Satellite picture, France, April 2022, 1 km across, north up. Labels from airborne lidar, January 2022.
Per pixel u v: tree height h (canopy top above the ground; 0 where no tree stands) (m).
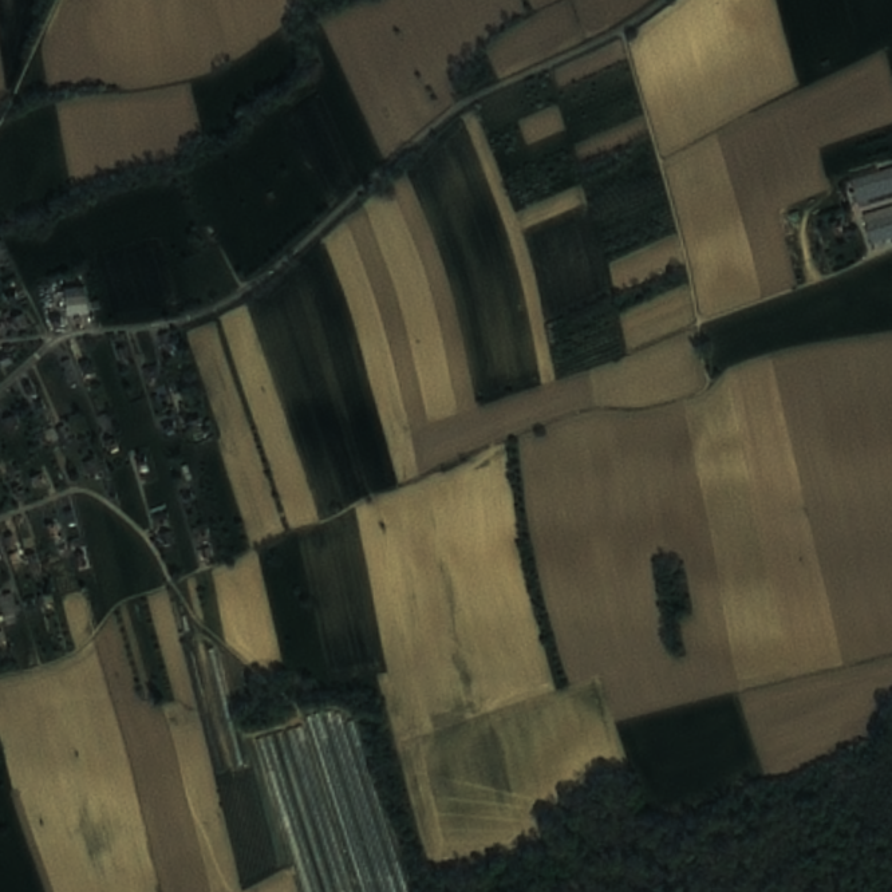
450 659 0
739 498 0
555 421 0
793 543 0
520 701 0
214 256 0
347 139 0
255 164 0
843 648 0
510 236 0
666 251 0
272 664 0
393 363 0
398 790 18
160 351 0
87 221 0
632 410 0
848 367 0
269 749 0
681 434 0
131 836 0
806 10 0
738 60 0
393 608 0
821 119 0
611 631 0
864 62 0
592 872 38
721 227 0
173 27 0
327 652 0
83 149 0
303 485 0
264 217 0
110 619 0
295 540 0
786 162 0
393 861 0
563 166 9
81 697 0
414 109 0
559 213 0
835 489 0
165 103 0
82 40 0
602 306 9
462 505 0
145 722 0
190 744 0
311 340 0
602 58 0
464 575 0
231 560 7
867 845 24
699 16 0
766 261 0
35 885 0
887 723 22
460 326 0
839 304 0
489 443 0
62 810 0
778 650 0
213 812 0
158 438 0
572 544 0
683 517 0
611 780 29
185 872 0
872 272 0
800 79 0
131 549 0
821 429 0
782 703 0
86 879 0
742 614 0
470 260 0
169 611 0
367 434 0
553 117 0
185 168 20
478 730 0
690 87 0
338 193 0
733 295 0
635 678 0
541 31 0
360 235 0
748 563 0
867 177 0
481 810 0
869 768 17
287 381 0
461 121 0
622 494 0
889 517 0
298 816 0
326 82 0
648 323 0
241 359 0
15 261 0
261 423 0
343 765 0
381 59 0
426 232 0
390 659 0
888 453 0
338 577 0
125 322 0
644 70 0
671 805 0
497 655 0
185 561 0
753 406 0
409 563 0
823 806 22
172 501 0
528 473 0
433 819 0
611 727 0
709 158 0
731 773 0
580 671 0
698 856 33
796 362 0
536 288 0
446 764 0
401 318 0
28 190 0
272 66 0
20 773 0
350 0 19
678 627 18
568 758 0
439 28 0
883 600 0
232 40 0
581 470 0
